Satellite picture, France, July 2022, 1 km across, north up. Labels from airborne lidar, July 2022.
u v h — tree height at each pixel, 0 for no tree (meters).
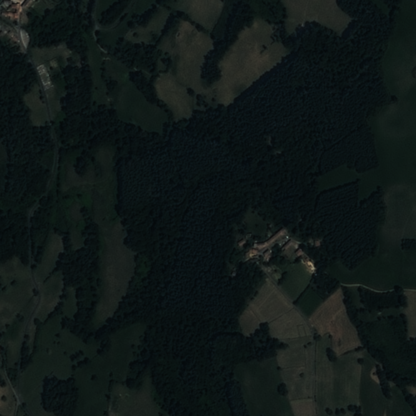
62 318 0
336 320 0
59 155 11
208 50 0
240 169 33
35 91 0
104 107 13
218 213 18
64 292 14
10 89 16
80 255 16
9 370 7
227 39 17
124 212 24
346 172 0
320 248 13
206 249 20
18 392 0
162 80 0
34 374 0
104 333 23
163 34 18
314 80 23
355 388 0
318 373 0
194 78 0
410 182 0
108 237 0
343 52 16
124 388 0
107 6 0
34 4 0
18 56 20
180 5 0
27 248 19
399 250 0
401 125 0
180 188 35
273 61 0
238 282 15
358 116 23
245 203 8
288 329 0
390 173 0
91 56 0
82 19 19
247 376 0
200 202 29
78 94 26
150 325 8
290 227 25
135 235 29
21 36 0
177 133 33
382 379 20
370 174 0
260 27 0
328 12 0
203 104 16
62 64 0
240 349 25
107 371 0
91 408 0
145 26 7
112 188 0
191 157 28
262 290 0
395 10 25
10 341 0
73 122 27
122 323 10
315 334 6
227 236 22
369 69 19
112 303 0
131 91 0
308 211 18
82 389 0
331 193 17
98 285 13
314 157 20
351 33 25
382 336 0
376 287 0
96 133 7
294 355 0
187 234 24
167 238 18
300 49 25
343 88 19
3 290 9
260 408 0
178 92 0
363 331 20
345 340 0
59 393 12
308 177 20
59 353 0
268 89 29
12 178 26
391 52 0
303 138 23
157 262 7
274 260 15
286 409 0
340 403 0
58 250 0
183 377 20
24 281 0
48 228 7
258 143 23
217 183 24
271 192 14
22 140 25
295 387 0
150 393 0
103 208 0
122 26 0
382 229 0
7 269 0
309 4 0
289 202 29
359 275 0
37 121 0
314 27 34
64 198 7
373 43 22
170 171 30
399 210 0
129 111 0
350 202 15
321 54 20
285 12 17
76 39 26
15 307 0
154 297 12
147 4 0
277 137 24
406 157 0
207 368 5
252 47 0
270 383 0
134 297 16
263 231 0
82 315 25
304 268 0
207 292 24
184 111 0
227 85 0
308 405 0
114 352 0
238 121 28
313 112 27
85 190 0
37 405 0
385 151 0
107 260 0
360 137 18
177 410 29
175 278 20
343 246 14
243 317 0
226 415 0
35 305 0
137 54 14
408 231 0
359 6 19
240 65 0
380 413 0
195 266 19
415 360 6
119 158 7
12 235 9
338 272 0
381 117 0
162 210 29
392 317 16
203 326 14
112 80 9
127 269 0
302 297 8
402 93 0
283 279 11
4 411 0
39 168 20
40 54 0
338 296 0
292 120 26
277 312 0
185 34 0
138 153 19
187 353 15
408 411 0
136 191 26
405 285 0
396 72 0
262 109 33
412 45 0
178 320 8
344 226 12
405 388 18
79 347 0
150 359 31
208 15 0
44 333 0
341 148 22
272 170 28
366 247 15
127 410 0
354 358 0
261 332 17
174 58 0
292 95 26
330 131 21
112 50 24
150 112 0
